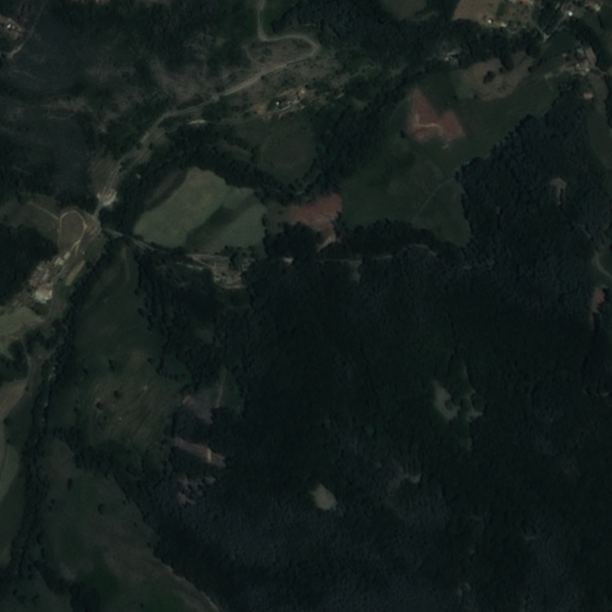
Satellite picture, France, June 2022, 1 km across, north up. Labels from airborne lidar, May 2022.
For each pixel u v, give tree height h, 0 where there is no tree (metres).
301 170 0
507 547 23
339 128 19
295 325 26
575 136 14
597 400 19
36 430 16
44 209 0
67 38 0
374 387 14
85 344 0
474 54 18
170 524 28
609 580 26
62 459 0
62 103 0
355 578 17
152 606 0
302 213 0
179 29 12
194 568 19
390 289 25
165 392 0
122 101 0
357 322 15
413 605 17
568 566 16
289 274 23
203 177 0
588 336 8
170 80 0
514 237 15
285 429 25
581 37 17
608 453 26
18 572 9
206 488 22
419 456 15
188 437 24
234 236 0
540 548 11
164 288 18
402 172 0
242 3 7
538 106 0
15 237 23
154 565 0
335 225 12
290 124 0
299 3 6
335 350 17
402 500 11
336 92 10
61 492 0
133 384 0
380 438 15
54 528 0
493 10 0
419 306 17
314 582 22
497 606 18
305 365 16
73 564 0
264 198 7
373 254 11
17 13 13
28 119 0
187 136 18
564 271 30
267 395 28
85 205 10
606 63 16
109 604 0
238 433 19
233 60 9
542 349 21
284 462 20
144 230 0
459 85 0
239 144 11
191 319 8
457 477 21
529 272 24
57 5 7
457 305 14
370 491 10
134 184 13
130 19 6
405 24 10
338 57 10
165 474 9
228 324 17
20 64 0
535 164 22
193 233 0
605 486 21
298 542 17
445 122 0
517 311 30
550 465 16
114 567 0
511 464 22
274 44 0
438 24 8
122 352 0
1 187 14
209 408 0
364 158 18
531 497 18
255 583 16
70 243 0
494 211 14
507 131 0
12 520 0
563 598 12
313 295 22
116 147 7
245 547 14
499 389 16
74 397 0
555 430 10
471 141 0
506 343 20
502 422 17
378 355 21
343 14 33
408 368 16
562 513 23
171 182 0
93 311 0
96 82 0
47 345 8
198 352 6
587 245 14
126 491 15
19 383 0
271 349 25
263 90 0
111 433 0
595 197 28
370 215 0
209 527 18
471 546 10
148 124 11
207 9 18
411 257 20
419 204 0
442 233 0
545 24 19
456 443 26
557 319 22
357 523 8
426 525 9
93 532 0
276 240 23
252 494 17
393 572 12
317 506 10
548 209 19
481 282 25
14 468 0
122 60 0
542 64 8
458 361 18
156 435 0
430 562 15
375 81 10
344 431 10
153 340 0
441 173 0
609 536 18
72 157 0
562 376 18
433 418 17
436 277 19
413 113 0
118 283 0
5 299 17
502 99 0
